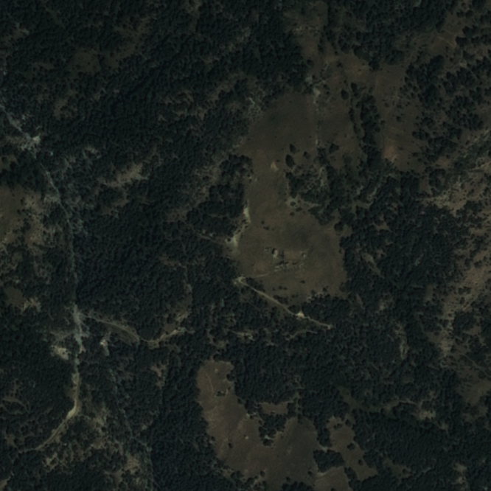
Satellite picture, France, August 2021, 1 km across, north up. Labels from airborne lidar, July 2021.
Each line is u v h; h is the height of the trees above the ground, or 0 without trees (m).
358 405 0
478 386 0
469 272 0
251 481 10
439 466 12
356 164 0
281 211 0
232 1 8
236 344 13
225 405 0
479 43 12
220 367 0
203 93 10
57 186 17
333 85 0
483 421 10
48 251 14
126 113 19
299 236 0
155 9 9
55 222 12
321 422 8
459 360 0
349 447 9
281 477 0
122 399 11
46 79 10
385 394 16
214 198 20
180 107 12
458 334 8
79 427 7
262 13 11
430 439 25
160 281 14
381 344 16
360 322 13
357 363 17
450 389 18
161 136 15
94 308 11
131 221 16
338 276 0
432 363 13
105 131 12
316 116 0
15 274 7
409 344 15
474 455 17
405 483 13
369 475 0
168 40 12
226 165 12
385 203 13
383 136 0
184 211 0
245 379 20
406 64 0
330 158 0
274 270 0
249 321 13
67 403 5
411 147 0
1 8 13
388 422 16
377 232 12
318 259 0
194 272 7
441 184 11
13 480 10
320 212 0
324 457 12
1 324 15
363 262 16
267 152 0
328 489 0
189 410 14
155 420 12
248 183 0
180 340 12
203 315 14
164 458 18
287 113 0
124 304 14
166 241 7
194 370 8
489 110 0
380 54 7
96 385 10
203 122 6
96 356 10
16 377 6
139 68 16
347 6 16
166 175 17
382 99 0
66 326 8
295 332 16
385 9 12
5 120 8
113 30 15
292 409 16
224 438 0
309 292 0
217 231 6
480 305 6
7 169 0
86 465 10
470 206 14
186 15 7
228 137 6
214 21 18
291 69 11
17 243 6
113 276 13
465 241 7
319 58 0
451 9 12
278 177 0
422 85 15
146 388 17
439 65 22
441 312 9
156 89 15
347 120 0
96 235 12
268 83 15
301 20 0
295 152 19
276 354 11
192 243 7
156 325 15
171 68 11
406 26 12
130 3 12
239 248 0
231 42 10
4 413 15
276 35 17
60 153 6
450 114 14
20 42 8
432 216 8
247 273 0
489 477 16
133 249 15
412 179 10
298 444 0
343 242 9
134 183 7
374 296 18
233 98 19
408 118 0
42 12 15
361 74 0
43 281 15
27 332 12
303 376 9
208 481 13
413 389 17
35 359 10
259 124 0
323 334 13
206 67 15
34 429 10
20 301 0
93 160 15
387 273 19
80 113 12
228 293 10
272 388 16
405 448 12
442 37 0
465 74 18
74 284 14
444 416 8
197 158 15
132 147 6
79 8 11
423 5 14
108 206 9
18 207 0
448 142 12
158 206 15
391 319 10
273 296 0
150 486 22
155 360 16
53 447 9
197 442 8
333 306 9
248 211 0
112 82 16
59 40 9
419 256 7
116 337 12
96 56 8
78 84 9
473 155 0
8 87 13
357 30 6
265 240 0
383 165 0
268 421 9
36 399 6
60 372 16
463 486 9
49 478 13
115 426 14
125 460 7
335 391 19
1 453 16
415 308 12
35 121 12
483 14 0
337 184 7
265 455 0
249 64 22
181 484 16
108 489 12
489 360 0
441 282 9
